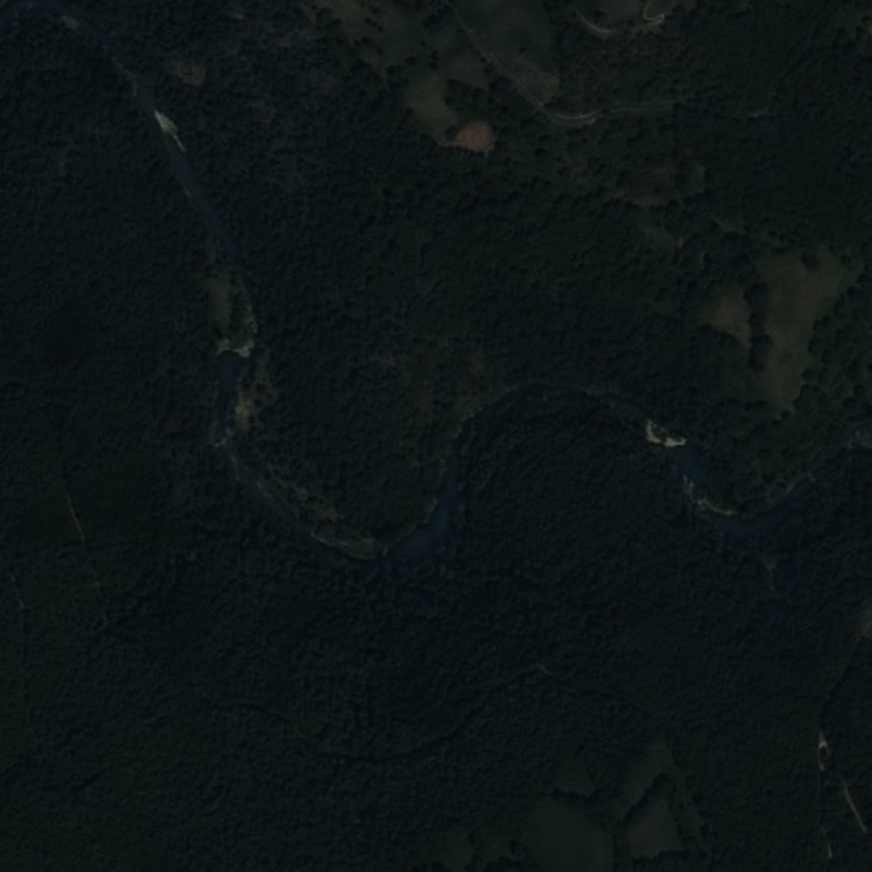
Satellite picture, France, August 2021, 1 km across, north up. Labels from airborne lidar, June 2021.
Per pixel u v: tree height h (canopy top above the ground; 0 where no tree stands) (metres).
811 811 21
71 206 21
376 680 16
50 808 20
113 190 23
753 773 21
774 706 20
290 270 25
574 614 21
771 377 0
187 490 6
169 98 19
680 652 17
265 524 22
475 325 17
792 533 15
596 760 17
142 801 15
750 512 19
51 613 18
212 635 25
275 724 18
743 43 20
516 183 14
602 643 15
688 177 12
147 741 24
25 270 19
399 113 16
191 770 21
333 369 16
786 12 17
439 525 0
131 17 6
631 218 18
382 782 22
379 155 20
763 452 15
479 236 20
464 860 0
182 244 24
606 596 18
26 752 10
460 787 20
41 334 18
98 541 15
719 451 20
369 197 20
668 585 21
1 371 16
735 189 20
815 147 21
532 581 11
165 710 19
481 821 19
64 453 16
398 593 24
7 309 19
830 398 21
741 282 20
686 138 26
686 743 19
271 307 18
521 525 25
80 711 21
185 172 0
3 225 19
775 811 21
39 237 15
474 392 6
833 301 0
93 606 20
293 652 21
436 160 16
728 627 20
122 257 19
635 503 21
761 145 19
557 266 19
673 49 11
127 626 23
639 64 10
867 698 18
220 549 23
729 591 16
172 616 20
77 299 15
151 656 24
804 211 23
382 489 14
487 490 17
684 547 25
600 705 19
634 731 16
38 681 22
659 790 16
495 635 12
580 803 16
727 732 18
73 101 21
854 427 8
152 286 19
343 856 15
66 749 22
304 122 14
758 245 17
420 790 17
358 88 8
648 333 14
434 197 7
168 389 21
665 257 6
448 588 19
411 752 10
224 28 17
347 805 18
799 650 20
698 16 19
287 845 15
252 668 21
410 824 21
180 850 20
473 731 20
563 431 23
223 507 17
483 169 12
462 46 0
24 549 14
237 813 25
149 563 11
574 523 20
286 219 16
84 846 20
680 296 9
